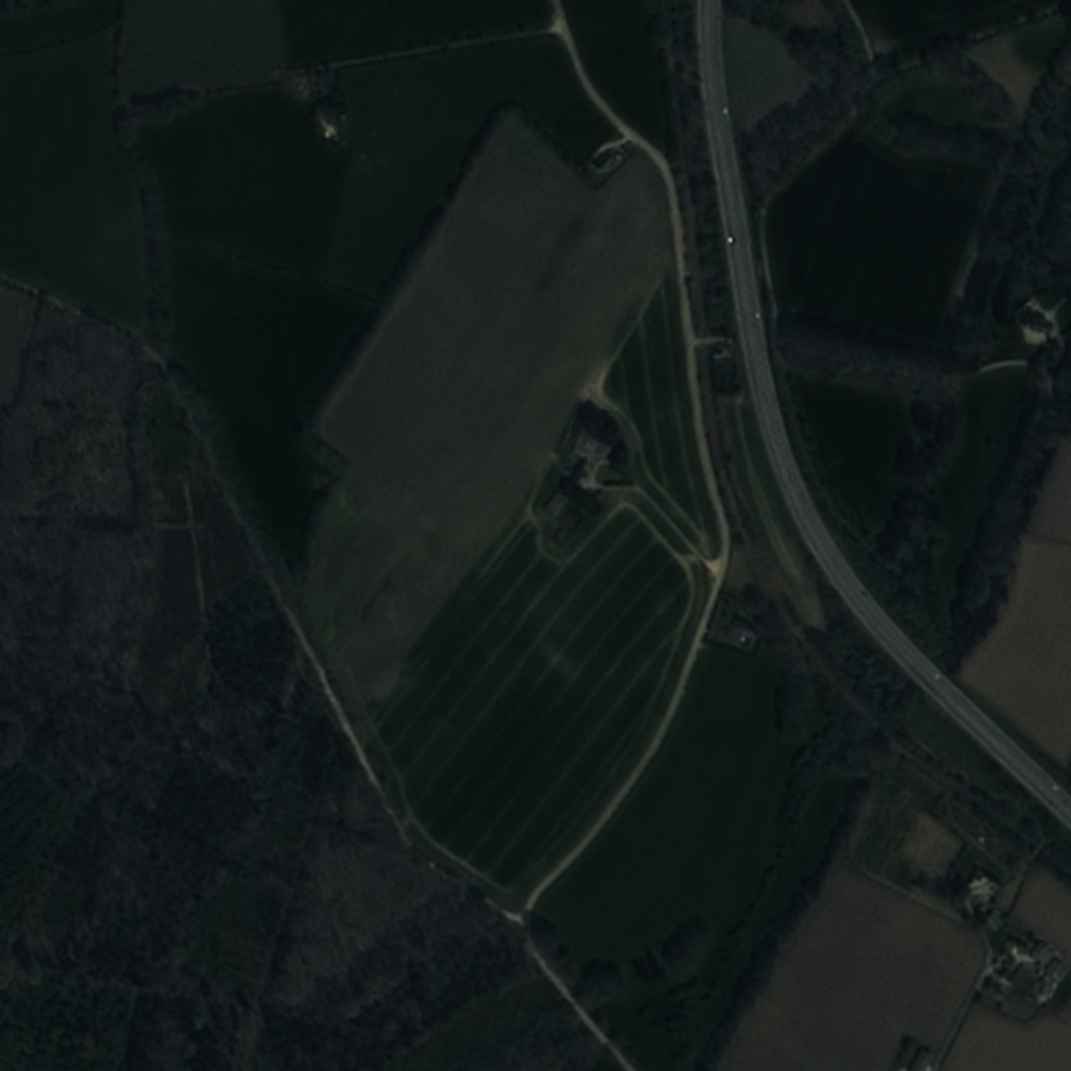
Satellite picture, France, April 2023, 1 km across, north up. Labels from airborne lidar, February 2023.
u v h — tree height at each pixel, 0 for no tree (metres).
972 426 0
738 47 0
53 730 21
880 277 0
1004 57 0
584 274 0
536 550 0
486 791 0
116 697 22
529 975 18
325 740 11
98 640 17
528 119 13
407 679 0
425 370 0
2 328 0
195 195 0
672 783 0
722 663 0
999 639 0
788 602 6
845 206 0
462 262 0
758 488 0
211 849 17
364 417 0
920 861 0
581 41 0
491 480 0
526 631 0
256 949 8
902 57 0
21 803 16
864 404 0
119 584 20
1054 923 0
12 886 6
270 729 15
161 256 14
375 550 0
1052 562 0
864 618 0
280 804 12
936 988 0
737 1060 0
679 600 0
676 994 7
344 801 24
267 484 0
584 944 0
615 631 0
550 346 0
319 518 10
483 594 0
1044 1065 0
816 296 0
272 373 0
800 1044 0
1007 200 18
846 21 9
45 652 24
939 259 0
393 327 0
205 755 21
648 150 0
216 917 8
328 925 16
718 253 8
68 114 0
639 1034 0
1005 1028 0
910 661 0
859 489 0
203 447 15
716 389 7
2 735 30
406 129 0
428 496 0
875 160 0
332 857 18
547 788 0
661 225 0
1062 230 30
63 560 18
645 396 0
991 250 21
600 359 0
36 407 14
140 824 23
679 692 0
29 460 11
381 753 0
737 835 0
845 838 7
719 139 0
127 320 0
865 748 20
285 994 12
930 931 0
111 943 20
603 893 0
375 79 0
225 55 0
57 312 12
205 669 0
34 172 0
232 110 0
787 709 23
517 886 0
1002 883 0
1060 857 12
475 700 0
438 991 24
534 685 0
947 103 0
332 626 0
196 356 0
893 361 26
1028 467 19
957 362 18
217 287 0
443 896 19
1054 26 0
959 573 0
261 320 0
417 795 0
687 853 0
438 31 0
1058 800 0
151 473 16
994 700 0
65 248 0
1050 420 24
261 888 11
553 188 0
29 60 0
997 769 6
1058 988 0
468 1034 8
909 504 18
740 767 0
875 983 0
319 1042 20
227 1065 14
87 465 16
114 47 9
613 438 16
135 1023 11
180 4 0
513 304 0
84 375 17
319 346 0
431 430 0
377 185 0
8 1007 7
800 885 0
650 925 0
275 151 0
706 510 0
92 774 23
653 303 0
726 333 10
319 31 0
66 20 0
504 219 0
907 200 0
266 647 16
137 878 19
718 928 0
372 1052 24
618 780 0
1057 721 0
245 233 0
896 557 10
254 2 0
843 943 0
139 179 12
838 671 9
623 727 0
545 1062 21
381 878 17
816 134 24
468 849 0
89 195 0
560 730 0
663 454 0
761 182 23
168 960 22
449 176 0
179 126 0
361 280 0
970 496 0
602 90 0
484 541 0
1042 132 27
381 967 26
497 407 0
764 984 13
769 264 0
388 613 0
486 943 16
